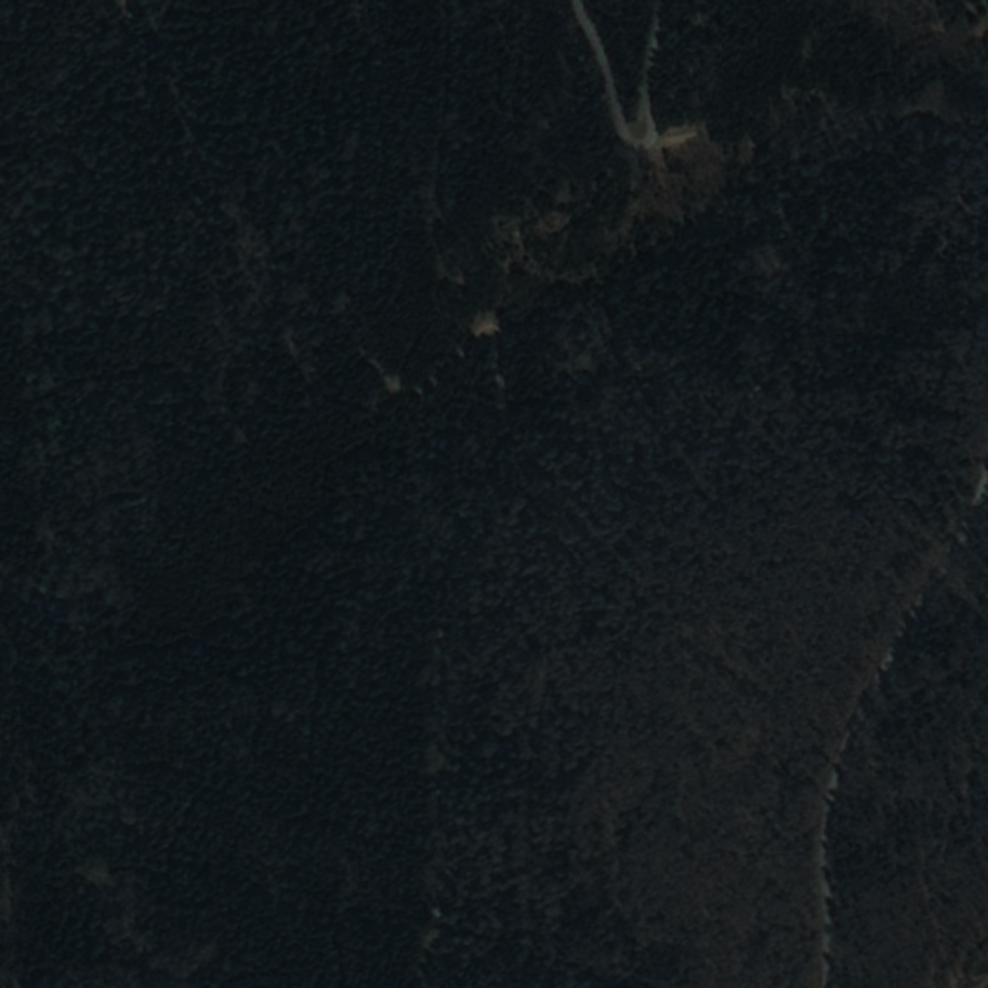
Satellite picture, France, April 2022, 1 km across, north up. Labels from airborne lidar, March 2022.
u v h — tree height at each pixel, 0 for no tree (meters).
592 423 17
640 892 23
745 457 26
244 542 21
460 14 22
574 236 11
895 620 17
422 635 23
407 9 27
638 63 13
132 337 27
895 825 11
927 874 7
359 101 26
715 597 25
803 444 25
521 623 30
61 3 28
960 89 21
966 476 19
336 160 18
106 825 25
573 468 15
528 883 31
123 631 28
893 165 23
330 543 24
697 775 22
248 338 26
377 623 24
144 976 24
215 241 31
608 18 18
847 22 13
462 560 21
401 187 22
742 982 19
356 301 23
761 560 24
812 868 18
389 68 26
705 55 14
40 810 20
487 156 17
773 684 24
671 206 9
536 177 12
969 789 7
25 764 24
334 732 25
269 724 31
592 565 32
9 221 27
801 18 19
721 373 28
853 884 15
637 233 13
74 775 26
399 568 21
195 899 24
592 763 25
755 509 25
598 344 16
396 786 22
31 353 31
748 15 20
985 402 20
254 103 26
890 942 14
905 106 20
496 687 13
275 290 27
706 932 23
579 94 21
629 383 35
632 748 26
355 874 21
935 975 6
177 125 28
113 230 26
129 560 28
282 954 24
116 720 23
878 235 18
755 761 14
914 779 7
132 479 28
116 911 24
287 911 21
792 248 9
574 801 26
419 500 29
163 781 24
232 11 26
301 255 19
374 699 28
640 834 26
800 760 20
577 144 18
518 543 28
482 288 19
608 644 26
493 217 15
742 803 19
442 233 15
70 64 31
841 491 9
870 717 20
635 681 26
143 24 30
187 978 30
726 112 17
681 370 30
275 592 29
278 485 25
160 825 28
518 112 14
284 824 21
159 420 29
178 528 29
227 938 20
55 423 29
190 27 28
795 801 21
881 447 27
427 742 26
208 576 22
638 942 26
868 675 21
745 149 14
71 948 15
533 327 18
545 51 18
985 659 10
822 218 29
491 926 14
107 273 21
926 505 7
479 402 24
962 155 24
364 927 23
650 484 24
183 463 31
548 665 25
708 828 15
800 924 22
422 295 20
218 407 21
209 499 26
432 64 25
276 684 30
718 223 15
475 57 21
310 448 25
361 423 22
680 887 23
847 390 27
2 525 27
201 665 23
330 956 20
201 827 25
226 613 19
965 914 7
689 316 25
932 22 15
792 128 19
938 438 24
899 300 15
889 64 24
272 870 26
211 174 26
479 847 30
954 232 17
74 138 28
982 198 24
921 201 24
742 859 23
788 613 25
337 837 24
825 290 23
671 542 28
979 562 16
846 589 25
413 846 25
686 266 28
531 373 19
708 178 13
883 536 23
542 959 19
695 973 24
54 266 21
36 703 32
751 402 31
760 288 21
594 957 21
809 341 19
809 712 21
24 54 29
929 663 6
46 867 24
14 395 25
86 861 26
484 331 0
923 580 23
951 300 13
